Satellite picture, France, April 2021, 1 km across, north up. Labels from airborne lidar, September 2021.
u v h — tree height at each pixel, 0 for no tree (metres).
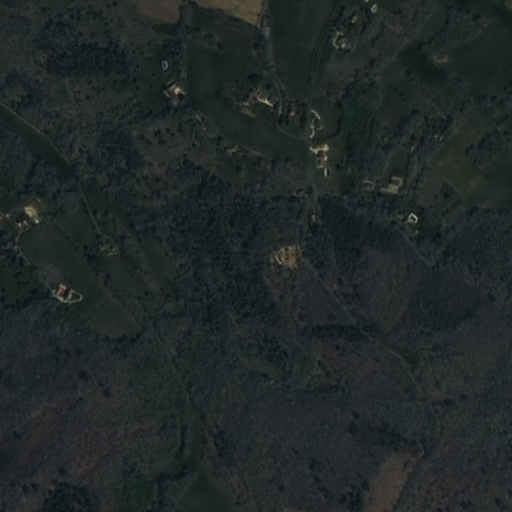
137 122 13
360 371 14
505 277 18
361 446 14
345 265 7
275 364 10
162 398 18
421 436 14
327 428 16
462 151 0
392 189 0
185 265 10
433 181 0
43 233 0
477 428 16
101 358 14
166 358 24
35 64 14
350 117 17
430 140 14
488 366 17
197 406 23
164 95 0
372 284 14
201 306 7
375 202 13
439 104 15
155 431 18
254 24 0
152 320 15
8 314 21
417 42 0
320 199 8
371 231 11
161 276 0
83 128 12
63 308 17
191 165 12
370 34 19
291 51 0
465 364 17
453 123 18
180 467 0
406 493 13
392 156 11
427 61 17
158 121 14
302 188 19
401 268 11
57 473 9
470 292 10
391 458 12
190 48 0
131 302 22
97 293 0
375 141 17
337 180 0
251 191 14
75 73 19
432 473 12
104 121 11
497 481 12
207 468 0
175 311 0
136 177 13
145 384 21
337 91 0
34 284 8
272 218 18
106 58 20
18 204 0
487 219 20
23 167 19
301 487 13
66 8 15
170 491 24
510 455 13
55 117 13
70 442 6
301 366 19
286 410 17
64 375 15
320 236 17
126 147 21
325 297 15
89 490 14
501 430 17
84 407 8
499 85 0
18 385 13
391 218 18
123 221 0
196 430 0
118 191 11
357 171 12
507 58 0
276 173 22
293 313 7
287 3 0
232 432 14
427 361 15
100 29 0
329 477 12
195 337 27
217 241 16
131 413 14
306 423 14
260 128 0
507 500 14
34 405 14
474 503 18
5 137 21
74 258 0
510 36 0
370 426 14
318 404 16
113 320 0
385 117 0
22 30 14
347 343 12
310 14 0
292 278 9
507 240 22
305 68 0
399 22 11
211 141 6
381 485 0
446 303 9
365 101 22
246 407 16
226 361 25
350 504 9
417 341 11
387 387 14
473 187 0
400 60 0
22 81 17
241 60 0
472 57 0
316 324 13
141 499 19
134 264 8
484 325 20
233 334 18
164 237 18
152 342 19
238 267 16
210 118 0
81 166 12
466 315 10
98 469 11
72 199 14
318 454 15
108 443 11
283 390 14
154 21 0
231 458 10
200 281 15
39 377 12
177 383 22
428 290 7
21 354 20
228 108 0
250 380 18
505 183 0
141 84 0
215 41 15
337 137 11
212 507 0
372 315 14
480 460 11
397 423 18
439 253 23
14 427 10
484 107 15
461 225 22
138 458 13
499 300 20
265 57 23
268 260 11
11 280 0
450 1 0
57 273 0
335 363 11
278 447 12
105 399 13
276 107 12
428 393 17
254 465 15
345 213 10
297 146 0
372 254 16
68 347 12
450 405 18
